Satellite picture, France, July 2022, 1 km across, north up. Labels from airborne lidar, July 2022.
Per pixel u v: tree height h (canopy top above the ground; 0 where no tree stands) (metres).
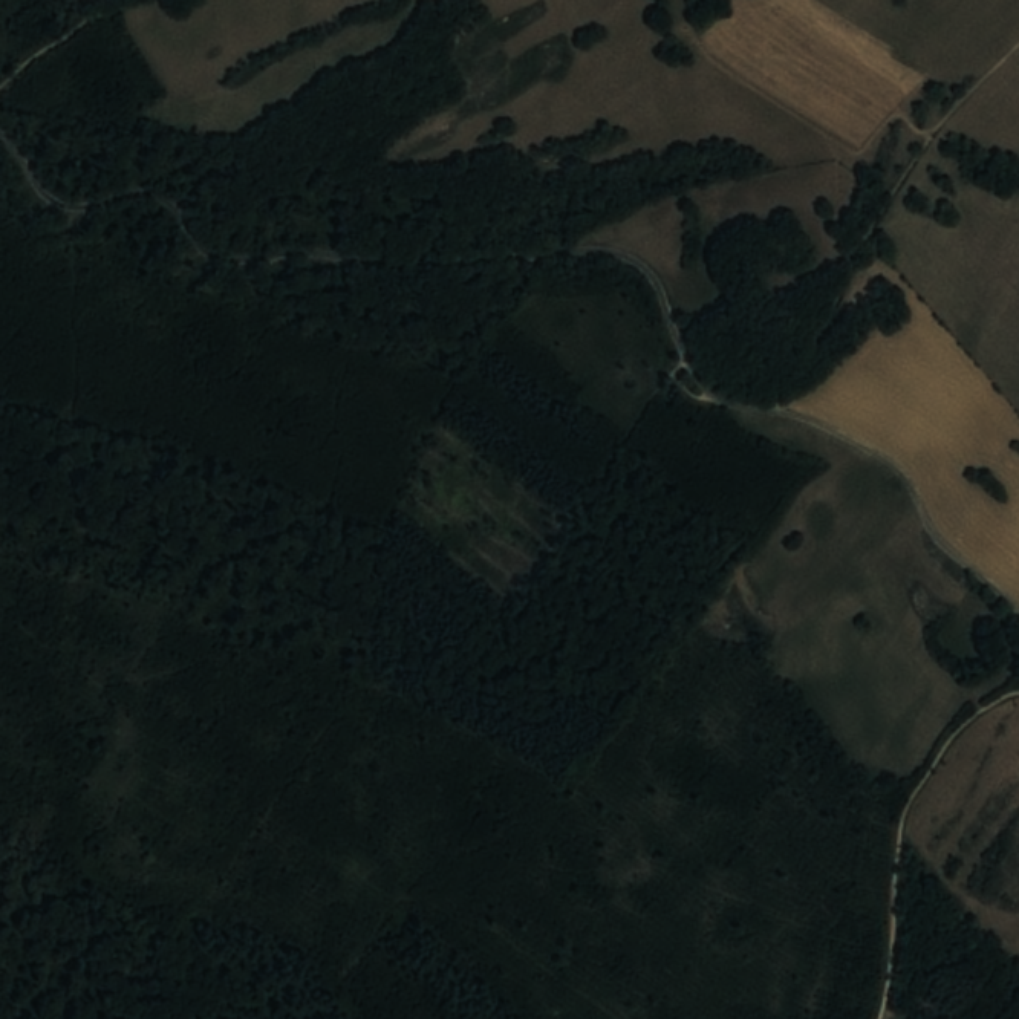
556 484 24
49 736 10
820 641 0
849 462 0
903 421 0
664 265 0
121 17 8
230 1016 26
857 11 0
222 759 6
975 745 0
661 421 6
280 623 29
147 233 26
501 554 0
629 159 11
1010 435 0
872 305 16
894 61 0
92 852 9
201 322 9
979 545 0
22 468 24
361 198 23
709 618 18
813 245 13
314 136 20
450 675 29
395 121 19
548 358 12
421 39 20
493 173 21
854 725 0
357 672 26
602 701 21
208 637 7
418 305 21
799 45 0
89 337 7
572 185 22
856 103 0
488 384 18
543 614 24
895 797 6
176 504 34
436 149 0
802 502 0
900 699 0
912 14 0
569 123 0
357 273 29
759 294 19
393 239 24
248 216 29
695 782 6
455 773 7
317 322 32
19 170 13
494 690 24
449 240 23
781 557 0
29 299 6
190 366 8
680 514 7
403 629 20
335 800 8
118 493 36
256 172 28
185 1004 26
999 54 0
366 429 9
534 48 0
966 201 0
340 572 33
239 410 11
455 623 27
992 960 18
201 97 0
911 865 16
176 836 5
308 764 7
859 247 13
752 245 19
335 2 0
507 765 6
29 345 10
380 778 23
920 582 0
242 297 16
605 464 16
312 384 7
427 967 32
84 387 7
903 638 0
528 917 6
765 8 0
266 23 0
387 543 23
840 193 0
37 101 5
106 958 28
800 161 0
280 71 0
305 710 9
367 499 11
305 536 31
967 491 0
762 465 7
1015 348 0
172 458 8
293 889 8
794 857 6
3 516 32
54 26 20
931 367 0
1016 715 0
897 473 0
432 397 9
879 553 0
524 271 26
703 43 0
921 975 19
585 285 13
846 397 0
